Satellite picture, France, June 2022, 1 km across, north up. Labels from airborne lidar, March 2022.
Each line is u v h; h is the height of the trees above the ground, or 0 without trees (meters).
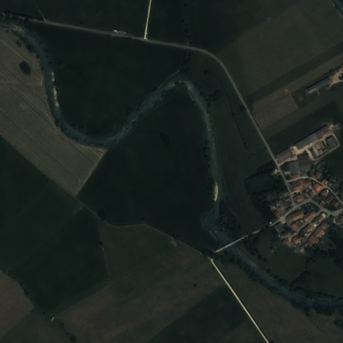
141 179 0
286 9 0
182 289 0
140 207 0
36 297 0
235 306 0
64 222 0
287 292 0
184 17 0
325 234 0
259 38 0
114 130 0
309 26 0
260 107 0
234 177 0
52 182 0
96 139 0
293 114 0
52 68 13
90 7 0
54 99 0
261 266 0
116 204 0
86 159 0
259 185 0
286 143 0
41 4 0
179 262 0
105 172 0
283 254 0
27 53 0
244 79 0
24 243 0
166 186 0
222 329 0
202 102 0
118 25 0
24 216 0
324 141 0
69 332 0
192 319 0
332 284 0
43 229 0
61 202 0
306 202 0
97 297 0
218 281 0
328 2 0
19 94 0
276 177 0
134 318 0
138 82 0
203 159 0
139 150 0
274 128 0
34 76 0
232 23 0
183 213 0
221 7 0
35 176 0
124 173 0
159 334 0
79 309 0
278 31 0
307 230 0
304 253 0
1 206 0
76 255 0
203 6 0
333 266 0
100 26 0
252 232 0
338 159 0
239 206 0
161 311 0
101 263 0
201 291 0
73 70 0
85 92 0
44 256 0
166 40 0
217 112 0
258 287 0
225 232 0
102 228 0
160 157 0
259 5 0
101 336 0
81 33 0
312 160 0
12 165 0
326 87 0
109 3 0
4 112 0
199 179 0
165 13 0
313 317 0
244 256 0
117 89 0
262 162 0
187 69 19
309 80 0
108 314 0
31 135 0
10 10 0
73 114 0
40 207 0
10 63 0
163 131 0
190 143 0
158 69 0
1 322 0
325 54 0
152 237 0
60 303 0
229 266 0
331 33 0
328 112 0
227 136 0
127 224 0
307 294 0
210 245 0
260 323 0
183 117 0
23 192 0
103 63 0
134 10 0
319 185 0
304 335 0
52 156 0
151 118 0
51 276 0
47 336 0
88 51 0
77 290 0
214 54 0
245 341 0
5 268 9
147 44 0
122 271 0
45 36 0
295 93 0
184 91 0
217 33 0
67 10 0
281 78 0
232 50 0
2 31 0
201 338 0
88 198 0
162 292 0
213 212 0
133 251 0
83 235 0
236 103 0
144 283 0
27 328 0
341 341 0
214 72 0
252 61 0
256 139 0
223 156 0
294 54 0
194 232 0
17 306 0
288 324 0
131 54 0
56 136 0
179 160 0
